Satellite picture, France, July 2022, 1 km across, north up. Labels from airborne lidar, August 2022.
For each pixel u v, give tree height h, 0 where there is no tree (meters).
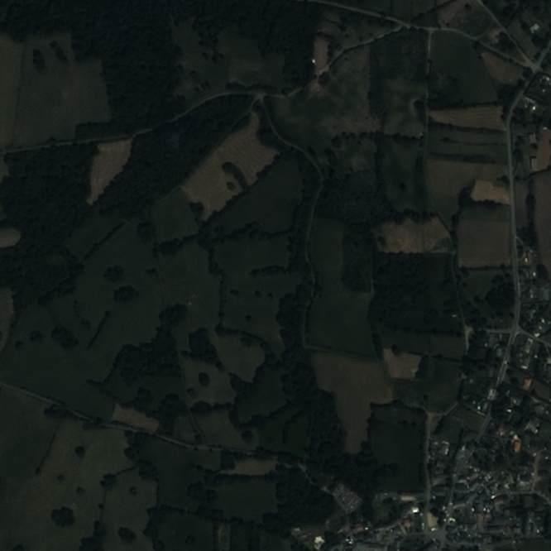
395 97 0
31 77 0
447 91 0
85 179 12
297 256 15
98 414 0
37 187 7
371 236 11
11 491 0
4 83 0
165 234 0
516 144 9
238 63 0
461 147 0
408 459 0
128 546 0
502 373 0
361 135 6
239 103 8
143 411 7
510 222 0
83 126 9
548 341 0
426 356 8
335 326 0
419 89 0
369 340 0
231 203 14
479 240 0
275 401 0
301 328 13
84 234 0
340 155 0
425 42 0
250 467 0
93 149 14
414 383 0
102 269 0
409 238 0
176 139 21
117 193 7
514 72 0
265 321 0
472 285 0
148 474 11
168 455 0
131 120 8
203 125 16
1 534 0
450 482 7
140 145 8
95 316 0
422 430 6
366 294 0
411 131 0
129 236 0
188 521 0
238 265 0
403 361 0
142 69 16
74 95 0
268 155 0
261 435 0
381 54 0
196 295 0
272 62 0
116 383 0
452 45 0
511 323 0
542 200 0
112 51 11
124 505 0
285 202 0
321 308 0
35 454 0
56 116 0
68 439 0
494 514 0
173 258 0
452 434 0
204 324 0
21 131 0
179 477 0
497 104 12
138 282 0
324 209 16
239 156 0
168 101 14
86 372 0
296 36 7
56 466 0
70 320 0
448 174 0
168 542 0
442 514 10
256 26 8
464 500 0
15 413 0
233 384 17
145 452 0
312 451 15
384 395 0
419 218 14
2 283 9
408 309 6
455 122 0
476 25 0
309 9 8
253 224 8
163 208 0
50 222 9
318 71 0
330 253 0
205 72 0
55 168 17
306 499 9
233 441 0
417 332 7
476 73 0
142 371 6
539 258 0
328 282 0
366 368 0
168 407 18
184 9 22
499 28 0
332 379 0
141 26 13
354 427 0
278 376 0
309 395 23
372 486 22
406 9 0
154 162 10
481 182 0
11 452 0
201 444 9
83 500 0
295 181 0
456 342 0
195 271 0
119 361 15
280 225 0
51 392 0
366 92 0
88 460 0
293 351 19
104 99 0
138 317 0
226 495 0
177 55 16
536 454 0
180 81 8
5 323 0
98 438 0
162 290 0
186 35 0
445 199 0
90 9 17
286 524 15
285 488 20
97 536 17
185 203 0
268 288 0
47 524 0
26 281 8
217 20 18
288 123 0
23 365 0
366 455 15
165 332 15
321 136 0
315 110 0
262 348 12
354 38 0
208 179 0
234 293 12
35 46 0
